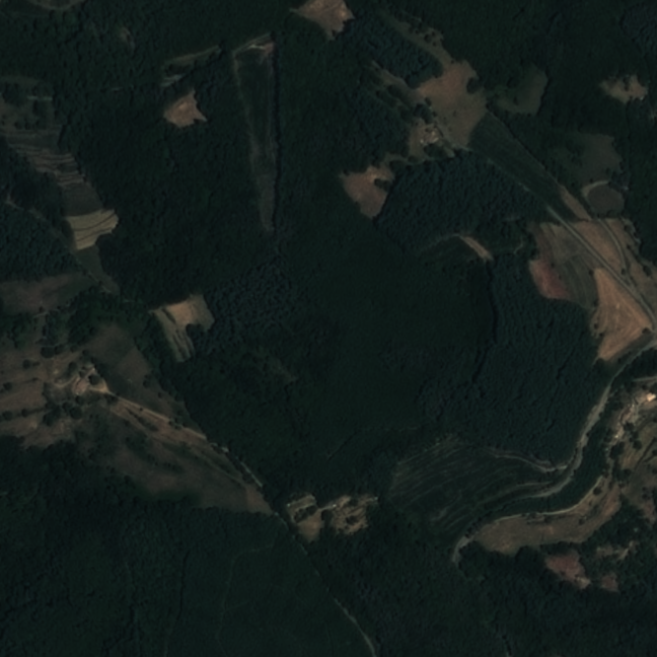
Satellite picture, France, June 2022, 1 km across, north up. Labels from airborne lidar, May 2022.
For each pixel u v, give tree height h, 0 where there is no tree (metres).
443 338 13
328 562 15
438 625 18
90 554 20
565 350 30
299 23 14
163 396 9
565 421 28
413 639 17
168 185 18
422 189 32
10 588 15
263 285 27
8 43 16
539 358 30
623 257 0
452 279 13
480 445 21
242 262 18
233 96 23
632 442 11
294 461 15
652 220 17
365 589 18
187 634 6
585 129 14
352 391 10
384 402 12
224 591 13
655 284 0
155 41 19
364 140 22
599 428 9
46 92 17
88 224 0
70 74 18
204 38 24
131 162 20
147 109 20
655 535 8
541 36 21
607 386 15
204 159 18
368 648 7
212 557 13
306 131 20
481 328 12
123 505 16
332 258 13
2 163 20
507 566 31
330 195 13
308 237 13
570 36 30
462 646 24
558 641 25
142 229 10
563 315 30
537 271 0
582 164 12
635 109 12
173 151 20
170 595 10
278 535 6
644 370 13
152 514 11
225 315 28
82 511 27
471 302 9
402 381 11
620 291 0
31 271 14
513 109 0
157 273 13
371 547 19
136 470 0
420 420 12
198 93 11
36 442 0
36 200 8
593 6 21
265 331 26
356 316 10
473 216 35
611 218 8
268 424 21
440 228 32
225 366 10
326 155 22
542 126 18
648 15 17
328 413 13
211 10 22
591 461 12
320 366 15
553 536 0
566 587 27
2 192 16
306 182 20
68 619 27
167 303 9
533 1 31
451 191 30
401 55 33
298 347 15
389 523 14
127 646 19
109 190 8
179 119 0
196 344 20
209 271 19
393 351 17
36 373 0
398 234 29
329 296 13
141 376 0
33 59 15
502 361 30
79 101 22
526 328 32
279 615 7
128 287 13
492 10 25
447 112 0
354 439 14
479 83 9
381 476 30
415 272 14
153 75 16
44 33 7
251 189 20
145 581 10
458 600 21
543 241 0
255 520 12
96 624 19
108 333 0
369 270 13
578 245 0
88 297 14
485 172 27
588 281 0
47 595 20
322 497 14
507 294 28
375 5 23
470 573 20
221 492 0
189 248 13
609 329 0
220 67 19
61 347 10
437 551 22
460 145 0
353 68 23
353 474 14
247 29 22
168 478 0
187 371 16
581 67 22
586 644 22
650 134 13
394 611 19
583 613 32
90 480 18
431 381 16
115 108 24
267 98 0
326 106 22
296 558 6
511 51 20
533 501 14
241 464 10
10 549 21
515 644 18
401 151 13
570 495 13
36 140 0
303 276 10
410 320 8
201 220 17
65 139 18
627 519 14
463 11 22
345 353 8
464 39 19
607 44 17
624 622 23
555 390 26
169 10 21
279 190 21
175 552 12
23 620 26
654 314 0
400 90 10
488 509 12
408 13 16
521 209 33
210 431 19
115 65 16
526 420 29
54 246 19
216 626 12
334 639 7
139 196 7
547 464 24
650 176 17
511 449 28
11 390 12
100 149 17
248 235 18
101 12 15
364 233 15
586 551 17
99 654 9
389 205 16
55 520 18
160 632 9
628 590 13
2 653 21
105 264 9
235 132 20
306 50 20
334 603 8
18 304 0
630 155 10
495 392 31
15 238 24
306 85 23
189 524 13
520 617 21
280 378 7
